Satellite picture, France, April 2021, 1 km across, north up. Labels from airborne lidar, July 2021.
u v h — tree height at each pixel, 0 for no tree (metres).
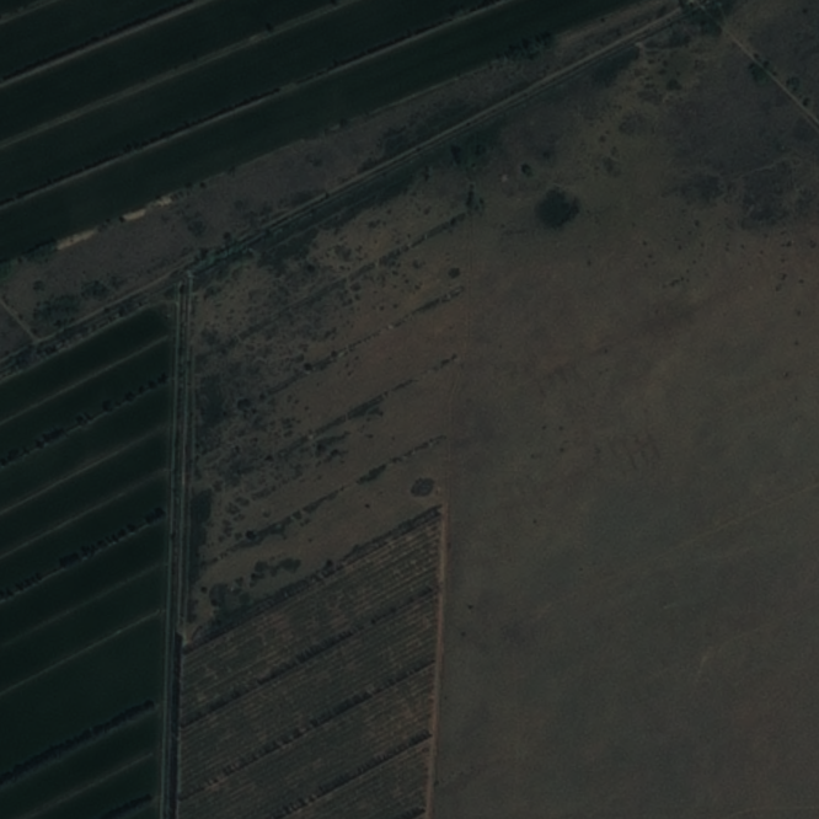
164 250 0
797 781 0
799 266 0
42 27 0
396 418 0
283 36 0
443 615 0
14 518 0
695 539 0
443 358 0
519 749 0
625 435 0
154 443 0
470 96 0
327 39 0
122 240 0
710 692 0
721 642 0
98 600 0
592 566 0
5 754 0
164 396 0
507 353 0
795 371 0
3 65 0
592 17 0
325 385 0
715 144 0
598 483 0
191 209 0
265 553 0
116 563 0
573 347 0
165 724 0
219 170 0
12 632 0
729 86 0
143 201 0
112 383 0
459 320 0
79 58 0
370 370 0
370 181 0
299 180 0
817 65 0
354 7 0
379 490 0
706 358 0
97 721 0
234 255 6
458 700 0
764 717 0
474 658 0
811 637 0
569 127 0
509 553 0
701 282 0
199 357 0
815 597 0
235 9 0
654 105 0
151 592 0
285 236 0
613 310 0
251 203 0
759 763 0
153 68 0
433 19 0
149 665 0
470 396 0
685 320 0
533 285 0
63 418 0
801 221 0
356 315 0
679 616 0
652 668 0
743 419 0
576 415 0
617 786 0
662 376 0
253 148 0
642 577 0
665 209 0
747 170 0
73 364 0
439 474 0
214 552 0
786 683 0
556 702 0
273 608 12
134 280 0
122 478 0
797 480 0
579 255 0
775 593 0
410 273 0
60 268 0
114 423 0
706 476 0
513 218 0
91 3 0
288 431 0
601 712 0
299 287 0
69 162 0
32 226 0
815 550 0
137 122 0
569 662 0
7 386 0
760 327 0
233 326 0
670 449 0
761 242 0
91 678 0
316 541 0
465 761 0
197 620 0
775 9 0
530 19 0
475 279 0
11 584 0
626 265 0
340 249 0
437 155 0
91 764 0
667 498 0
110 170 0
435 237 0
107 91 0
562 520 0
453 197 0
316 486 0
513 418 0
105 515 0
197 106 0
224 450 0
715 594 0
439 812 0
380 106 0
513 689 0
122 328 0
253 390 0
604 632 0
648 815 0
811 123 0
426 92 0
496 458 0
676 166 0
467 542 0
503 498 0
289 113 0
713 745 0
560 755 0
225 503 0
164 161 0
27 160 0
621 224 0
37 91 0
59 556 0
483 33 0
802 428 0
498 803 0
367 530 0
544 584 0
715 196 0
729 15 0
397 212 0
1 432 0
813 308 0
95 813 0
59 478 0
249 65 0
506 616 0
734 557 0
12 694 0
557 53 0
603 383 0
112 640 0
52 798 0
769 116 0
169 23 0
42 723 0
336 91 0
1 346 0
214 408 0
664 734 0
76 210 0
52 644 0
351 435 0
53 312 11
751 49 0
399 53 0
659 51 0
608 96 0
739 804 0
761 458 0
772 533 0
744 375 0
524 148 0
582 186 0
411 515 0
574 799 0
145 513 0
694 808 0
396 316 0
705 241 0
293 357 0
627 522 0
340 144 0
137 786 0
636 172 0
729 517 0
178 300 0
